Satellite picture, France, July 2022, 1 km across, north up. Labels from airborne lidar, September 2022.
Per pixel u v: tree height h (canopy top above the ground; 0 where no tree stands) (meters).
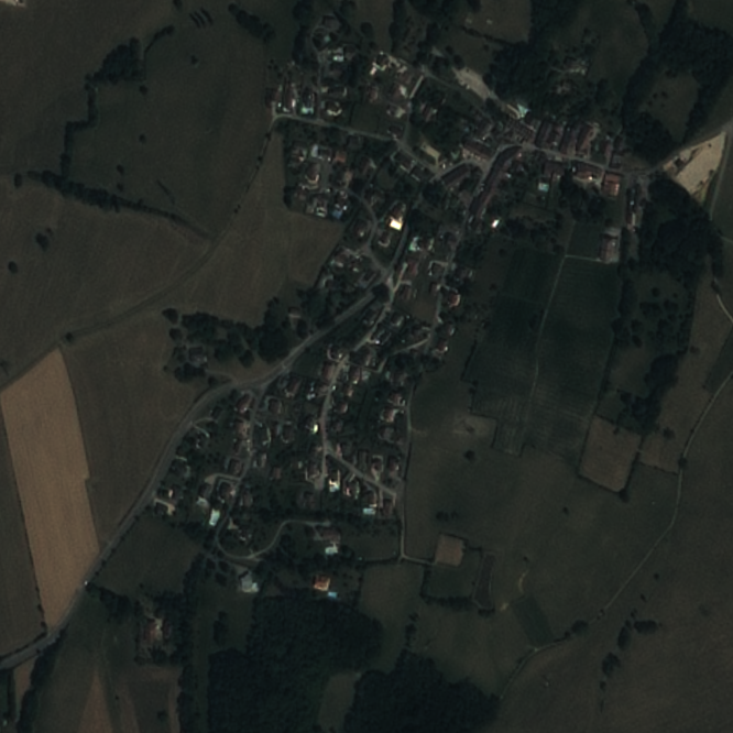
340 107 6
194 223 0
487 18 0
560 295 0
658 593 0
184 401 0
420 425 0
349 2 11
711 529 0
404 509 0
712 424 0
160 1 0
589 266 0
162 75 0
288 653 17
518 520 0
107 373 0
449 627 0
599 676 0
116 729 0
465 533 0
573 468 0
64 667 0
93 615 0
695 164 0
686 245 29
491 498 0
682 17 18
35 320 0
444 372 0
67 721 0
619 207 0
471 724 25
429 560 7
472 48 0
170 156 0
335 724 0
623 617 0
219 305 0
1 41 0
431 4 16
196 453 8
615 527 0
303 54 14
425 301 0
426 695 24
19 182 10
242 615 0
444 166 0
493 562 0
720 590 0
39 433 0
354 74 19
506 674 0
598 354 0
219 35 0
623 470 0
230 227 0
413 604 0
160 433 0
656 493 0
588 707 0
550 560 0
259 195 0
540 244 16
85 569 0
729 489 0
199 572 17
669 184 16
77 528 0
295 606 15
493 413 0
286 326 10
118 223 0
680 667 0
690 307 7
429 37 13
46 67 0
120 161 0
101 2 0
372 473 0
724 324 0
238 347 14
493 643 0
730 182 0
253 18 13
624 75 0
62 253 0
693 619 0
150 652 7
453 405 0
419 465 0
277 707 20
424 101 7
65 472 0
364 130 0
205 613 0
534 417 0
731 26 0
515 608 0
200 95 0
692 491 0
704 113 20
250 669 25
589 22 0
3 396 0
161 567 0
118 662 0
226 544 7
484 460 0
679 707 0
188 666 11
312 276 0
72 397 0
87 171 0
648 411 18
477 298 0
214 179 0
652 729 0
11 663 0
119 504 0
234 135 0
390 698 21
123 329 0
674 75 6
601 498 0
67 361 0
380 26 0
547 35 23
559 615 0
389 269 0
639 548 0
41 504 0
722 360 0
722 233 8
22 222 0
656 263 13
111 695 0
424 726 22
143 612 9
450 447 0
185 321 9
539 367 0
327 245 0
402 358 13
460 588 0
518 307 0
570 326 0
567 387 0
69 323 0
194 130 0
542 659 0
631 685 0
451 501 0
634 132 23
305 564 7
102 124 0
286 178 0
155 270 0
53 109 0
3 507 0
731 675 0
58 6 0
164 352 0
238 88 0
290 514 13
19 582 0
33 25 0
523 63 28
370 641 18
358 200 13
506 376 0
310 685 9
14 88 0
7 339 0
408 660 18
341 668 10
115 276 0
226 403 7
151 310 0
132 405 0
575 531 0
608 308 0
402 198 6
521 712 0
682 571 0
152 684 0
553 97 7
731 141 0
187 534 13
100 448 0
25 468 0
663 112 0
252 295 0
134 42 14
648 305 12
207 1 0
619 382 0
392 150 12
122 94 0
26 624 0
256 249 0
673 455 0
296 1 0
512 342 0
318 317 18
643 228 9
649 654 0
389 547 0
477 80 0
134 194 0
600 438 0
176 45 0
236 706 27
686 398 0
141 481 0
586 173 0
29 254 0
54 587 0
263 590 7
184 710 20
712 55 18
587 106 12
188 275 0
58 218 0
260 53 0
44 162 0
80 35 0
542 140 0
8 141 0
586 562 0
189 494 6
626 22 0
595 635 0
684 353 7
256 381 0
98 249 0
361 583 8
